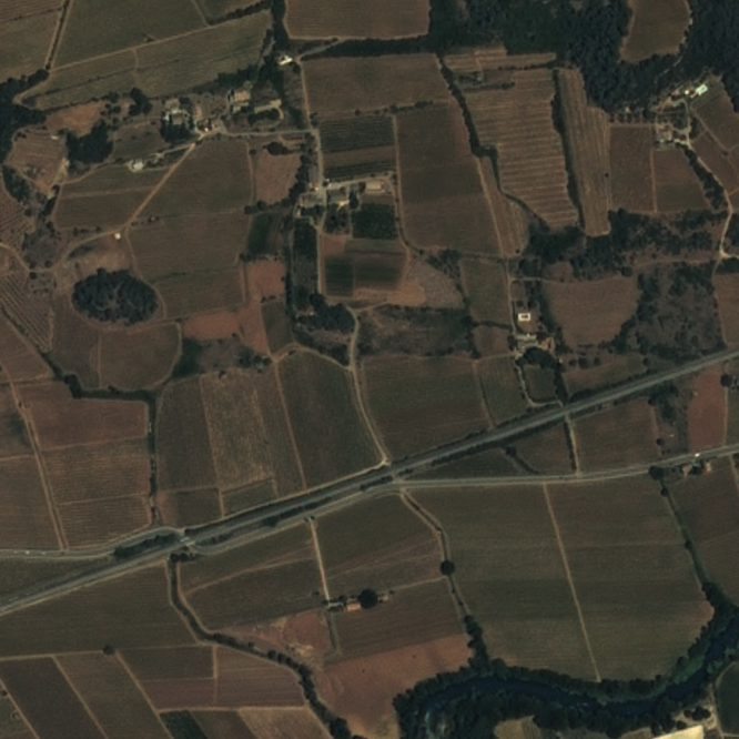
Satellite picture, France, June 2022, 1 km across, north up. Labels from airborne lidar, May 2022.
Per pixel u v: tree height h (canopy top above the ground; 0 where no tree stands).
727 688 0
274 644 0
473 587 0
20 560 0
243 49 0
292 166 0
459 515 0
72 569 0
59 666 0
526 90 0
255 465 0
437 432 0
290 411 0
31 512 0
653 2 0
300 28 0
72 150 9
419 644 0
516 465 0
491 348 0
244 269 0
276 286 0
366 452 0
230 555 0
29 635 0
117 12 0
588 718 19
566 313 0
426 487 0
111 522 0
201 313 0
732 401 0
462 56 0
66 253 0
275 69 13
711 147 0
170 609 0
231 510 0
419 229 0
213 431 0
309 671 16
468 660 0
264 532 0
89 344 0
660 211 0
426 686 8
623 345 7
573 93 0
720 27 17
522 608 0
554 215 0
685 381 0
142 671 0
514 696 17
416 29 0
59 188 8
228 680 0
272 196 0
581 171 0
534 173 0
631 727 8
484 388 0
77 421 0
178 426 0
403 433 0
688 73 8
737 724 0
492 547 0
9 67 0
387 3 0
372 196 0
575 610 0
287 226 7
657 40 0
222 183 0
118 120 6
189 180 0
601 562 0
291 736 0
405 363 0
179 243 0
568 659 0
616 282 0
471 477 0
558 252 9
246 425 0
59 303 0
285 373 0
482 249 0
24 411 0
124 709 0
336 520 0
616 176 0
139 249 0
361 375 0
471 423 0
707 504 0
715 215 6
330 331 13
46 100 0
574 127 0
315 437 0
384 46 5
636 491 0
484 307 0
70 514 0
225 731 0
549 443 0
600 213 0
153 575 0
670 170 0
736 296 0
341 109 0
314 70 0
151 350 0
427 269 0
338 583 0
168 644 0
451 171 0
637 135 0
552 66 8
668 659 0
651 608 0
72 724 0
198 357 0
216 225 0
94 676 0
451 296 0
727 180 0
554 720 22
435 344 0
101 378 0
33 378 0
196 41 0
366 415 0
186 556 9
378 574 0
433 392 0
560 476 0
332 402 0
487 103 0
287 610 0
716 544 0
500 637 0
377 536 0
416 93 0
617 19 18
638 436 0
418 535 0
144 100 17
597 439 0
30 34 0
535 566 0
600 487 0
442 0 6
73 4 0
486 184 0
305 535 0
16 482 0
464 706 17
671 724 17
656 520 0
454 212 0
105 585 0
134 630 0
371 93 0
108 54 0
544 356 25
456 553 0
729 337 0
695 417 0
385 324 0
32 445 0
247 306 0
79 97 0
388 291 0
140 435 0
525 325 0
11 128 7
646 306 8
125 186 0
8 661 0
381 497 0
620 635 0
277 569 0
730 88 10
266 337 0
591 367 0
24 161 0
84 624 0
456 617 0
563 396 7
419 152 0
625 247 10
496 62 0
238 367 0
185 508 0
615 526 0
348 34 0
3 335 0
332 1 0
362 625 0
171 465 0
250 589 0
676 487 0
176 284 0
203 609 0
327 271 0
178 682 0
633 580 0
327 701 0
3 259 0
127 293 16
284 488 0
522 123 0
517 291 0
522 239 0
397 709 13
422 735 0
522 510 0
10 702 0
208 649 0
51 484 0
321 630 0
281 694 0
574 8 5
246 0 0
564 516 0
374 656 0
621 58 9
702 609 0
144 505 0
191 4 0
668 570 0
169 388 0
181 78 0
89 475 0
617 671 0
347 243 0
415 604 0
